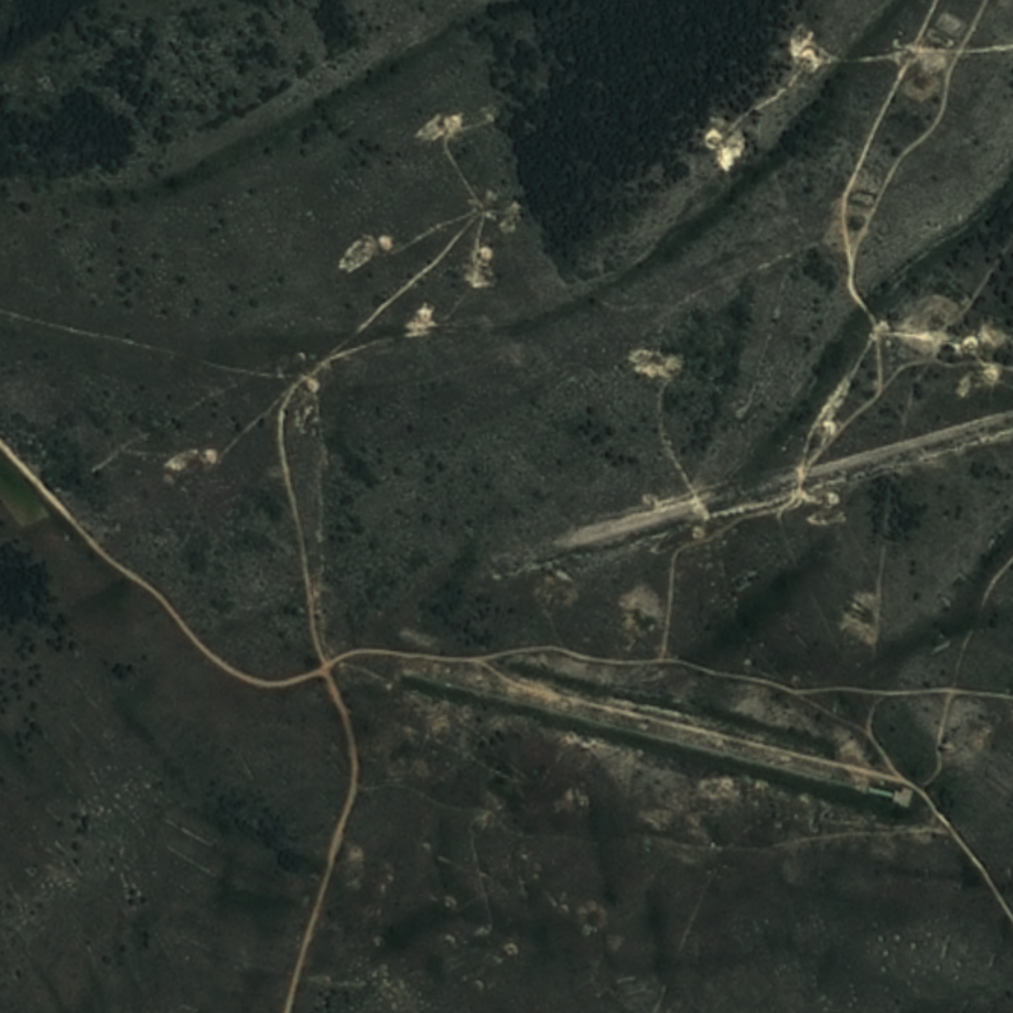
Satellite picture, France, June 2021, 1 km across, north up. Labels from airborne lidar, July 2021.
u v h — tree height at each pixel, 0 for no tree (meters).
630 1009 0
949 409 0
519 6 10
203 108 7
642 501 0
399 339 0
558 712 0
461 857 0
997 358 8
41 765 0
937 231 0
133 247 0
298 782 0
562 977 0
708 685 0
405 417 0
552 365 0
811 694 0
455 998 0
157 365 0
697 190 0
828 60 0
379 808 0
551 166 8
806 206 0
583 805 0
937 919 0
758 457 0
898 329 0
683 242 0
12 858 0
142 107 6
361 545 0
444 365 0
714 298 0
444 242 0
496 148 0
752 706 0
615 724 0
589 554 0
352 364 0
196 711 0
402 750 0
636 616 0
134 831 0
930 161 0
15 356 0
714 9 8
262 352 0
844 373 0
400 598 0
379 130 0
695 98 9
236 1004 0
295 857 7
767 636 0
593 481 0
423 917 0
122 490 0
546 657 0
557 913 0
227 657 0
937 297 0
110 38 7
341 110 0
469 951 0
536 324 0
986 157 0
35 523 0
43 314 0
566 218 8
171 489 0
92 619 0
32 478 0
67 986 0
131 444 0
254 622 0
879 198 0
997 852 0
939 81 0
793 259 0
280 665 0
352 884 0
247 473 0
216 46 0
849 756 0
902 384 0
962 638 0
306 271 0
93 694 0
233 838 0
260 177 0
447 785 0
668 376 0
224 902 0
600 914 0
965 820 0
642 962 0
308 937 0
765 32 6
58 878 0
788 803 0
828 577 0
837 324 0
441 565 0
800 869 0
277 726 0
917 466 0
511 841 0
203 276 0
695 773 0
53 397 0
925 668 0
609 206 6
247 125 0
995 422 0
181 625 0
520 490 0
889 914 0
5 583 8
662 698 0
